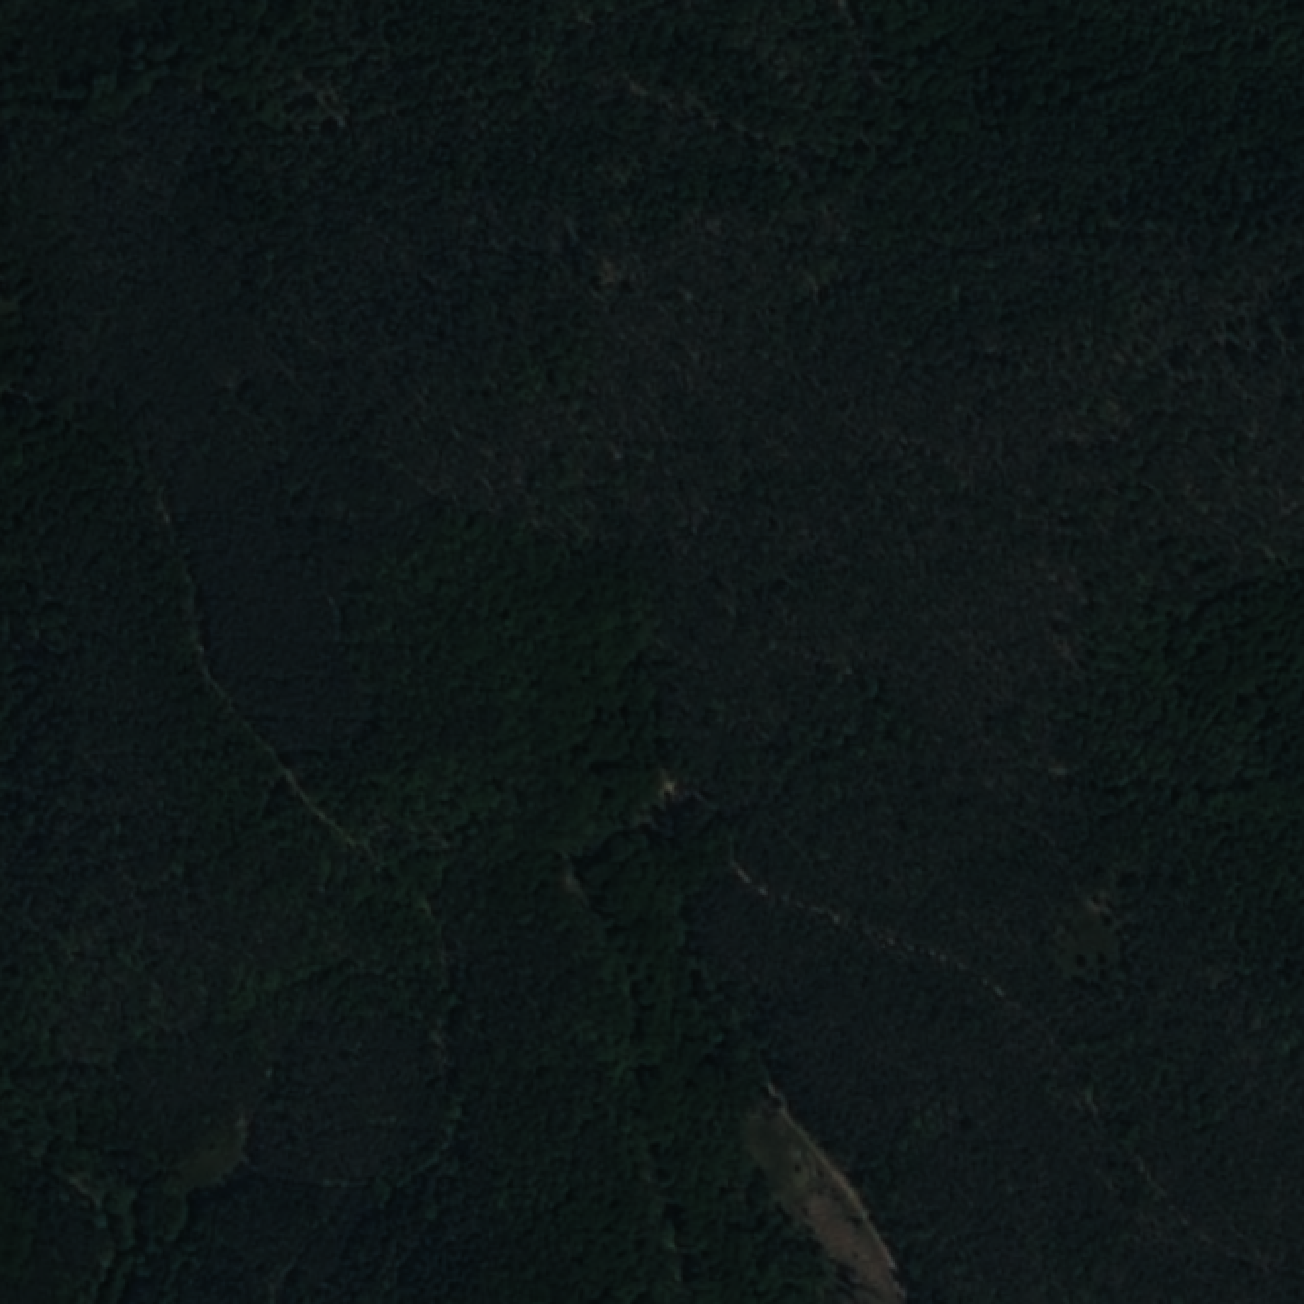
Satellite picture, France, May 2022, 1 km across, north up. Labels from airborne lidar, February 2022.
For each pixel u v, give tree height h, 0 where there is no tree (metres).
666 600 21
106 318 22
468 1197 27
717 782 26
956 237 22
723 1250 27
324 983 21
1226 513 25
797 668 19
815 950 20
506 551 26
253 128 26
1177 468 17
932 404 20
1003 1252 15
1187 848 25
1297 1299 20
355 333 26
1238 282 19
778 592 18
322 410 18
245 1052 20
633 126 23
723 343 20
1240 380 23
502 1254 23
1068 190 26
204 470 21
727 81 24
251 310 24
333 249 25
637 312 20
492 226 24
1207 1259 18
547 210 27
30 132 22
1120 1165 19
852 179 26
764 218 26
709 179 22
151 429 16
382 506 19
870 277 20
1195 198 26
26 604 36
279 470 17
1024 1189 19
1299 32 25
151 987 22
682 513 19
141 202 26
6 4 24
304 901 15
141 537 30
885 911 21
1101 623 21
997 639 19
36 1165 15
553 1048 25
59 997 23
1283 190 37
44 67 12
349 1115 18
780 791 22
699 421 18
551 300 22
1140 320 24
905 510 22
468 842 24
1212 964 19
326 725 17
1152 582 23
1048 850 24
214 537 21
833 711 23
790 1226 21
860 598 20
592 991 26
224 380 18
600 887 33
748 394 21
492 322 23
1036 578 21
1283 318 10
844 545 22
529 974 19
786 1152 0
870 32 31
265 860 14
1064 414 19
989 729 23
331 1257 17
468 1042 20
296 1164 19
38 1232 16
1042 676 20
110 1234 20
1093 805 25
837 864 21
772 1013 23
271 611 22
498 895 28
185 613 24
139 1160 24
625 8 25
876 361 19
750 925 22
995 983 18
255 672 19
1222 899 25
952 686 19
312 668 19
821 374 19
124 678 24
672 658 20
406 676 23
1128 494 21
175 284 23
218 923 18
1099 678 24
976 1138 15
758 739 21
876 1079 15
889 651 19
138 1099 21
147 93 25
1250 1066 18
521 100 24
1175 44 25
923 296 23
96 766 23
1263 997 21
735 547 24
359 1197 16
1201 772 25
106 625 25
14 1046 24
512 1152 24
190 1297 22
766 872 22
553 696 33
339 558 18
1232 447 17
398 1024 21
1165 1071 20
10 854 31
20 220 24
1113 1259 17
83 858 22
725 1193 30
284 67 34
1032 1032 18
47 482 30
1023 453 21
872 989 17
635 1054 28
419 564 26
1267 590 25
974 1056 17
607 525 23
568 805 32
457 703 24
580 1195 26
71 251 24
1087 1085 18
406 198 26
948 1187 20
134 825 21
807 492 20
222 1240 19
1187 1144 20
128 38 27
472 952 23
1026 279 23
